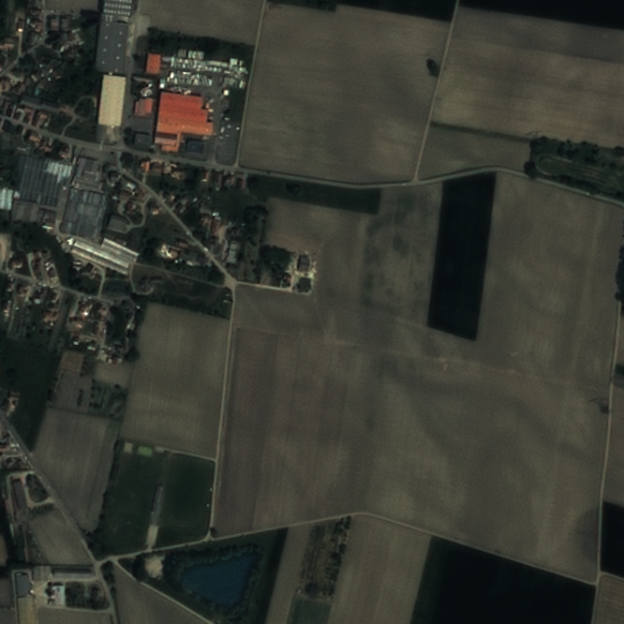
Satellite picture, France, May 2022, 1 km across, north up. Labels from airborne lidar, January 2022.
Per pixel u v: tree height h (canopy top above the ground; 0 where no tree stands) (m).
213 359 0
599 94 0
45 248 0
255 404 0
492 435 0
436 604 0
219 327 0
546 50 0
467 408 0
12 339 0
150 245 11
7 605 0
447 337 0
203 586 0
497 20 0
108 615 0
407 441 0
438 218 0
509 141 0
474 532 0
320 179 0
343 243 0
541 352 0
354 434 0
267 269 0
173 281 0
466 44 0
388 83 0
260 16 0
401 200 0
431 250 0
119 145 0
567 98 0
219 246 0
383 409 0
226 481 0
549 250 0
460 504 0
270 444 0
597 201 0
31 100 0
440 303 0
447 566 0
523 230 0
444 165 0
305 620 0
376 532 0
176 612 0
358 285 0
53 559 0
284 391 0
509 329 0
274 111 0
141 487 0
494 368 0
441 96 0
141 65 0
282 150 0
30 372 0
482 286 0
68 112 0
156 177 0
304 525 0
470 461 0
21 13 0
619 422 0
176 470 0
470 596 0
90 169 0
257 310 0
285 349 0
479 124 0
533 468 0
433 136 0
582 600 0
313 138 0
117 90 0
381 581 0
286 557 0
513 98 0
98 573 0
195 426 0
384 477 0
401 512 0
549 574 0
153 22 0
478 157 0
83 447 0
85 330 0
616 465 0
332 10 0
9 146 0
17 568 10
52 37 10
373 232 0
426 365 0
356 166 0
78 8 0
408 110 0
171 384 0
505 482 0
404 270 0
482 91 0
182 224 0
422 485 0
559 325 0
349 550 0
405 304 0
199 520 0
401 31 0
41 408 0
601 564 0
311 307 0
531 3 0
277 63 0
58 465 0
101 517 7
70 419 0
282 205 0
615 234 0
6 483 0
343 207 0
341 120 0
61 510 0
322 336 0
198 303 0
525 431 0
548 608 0
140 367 0
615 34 0
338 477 0
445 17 0
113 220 0
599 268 0
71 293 0
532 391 0
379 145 0
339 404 0
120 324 0
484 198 0
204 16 0
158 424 0
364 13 0
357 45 0
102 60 0
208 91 0
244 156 0
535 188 0
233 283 0
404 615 0
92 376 0
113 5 0
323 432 0
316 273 0
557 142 0
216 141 0
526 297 0
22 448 0
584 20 0
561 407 0
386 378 0
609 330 0
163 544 0
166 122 0
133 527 0
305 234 0
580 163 0
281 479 0
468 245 0
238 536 0
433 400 0
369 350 0
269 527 0
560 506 0
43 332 7
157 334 0
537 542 0
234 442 0
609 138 0
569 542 0
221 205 0
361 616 0
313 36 0
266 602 0
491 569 0
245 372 0
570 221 0
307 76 0
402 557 0
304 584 0
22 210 0
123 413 0
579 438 0
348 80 0
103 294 0
